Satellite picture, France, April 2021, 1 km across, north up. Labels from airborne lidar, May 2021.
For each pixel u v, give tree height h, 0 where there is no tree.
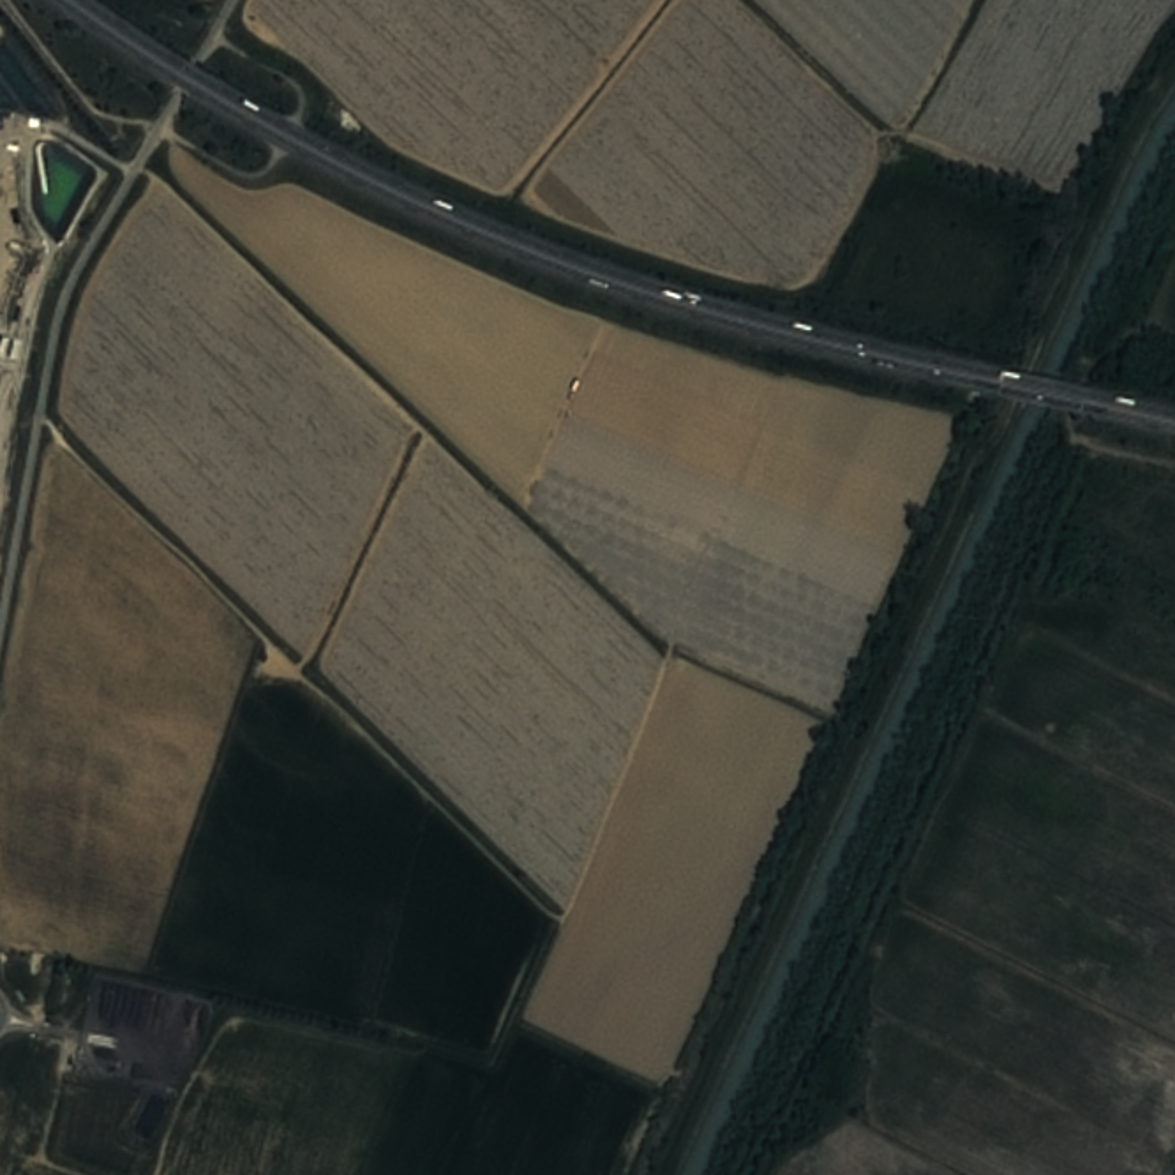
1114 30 0
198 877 0
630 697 0
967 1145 0
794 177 0
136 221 0
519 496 0
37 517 0
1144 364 14
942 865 0
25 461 0
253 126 0
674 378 0
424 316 0
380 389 0
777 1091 8
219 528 0
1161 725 0
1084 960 0
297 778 0
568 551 0
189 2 7
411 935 0
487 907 0
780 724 0
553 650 0
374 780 0
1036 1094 0
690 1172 0
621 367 0
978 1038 0
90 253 0
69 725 0
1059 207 13
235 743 0
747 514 0
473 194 0
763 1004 0
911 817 7
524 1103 0
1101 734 0
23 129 0
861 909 7
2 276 0
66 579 0
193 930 0
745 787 0
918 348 0
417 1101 0
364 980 0
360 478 0
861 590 0
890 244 0
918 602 0
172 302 0
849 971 6
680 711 0
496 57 0
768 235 0
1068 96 0
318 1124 0
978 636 10
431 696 0
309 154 0
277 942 0
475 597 0
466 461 0
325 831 0
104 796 0
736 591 0
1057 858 0
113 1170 0
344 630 0
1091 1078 0
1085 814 0
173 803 0
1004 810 0
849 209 0
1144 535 0
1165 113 0
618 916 0
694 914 0
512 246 0
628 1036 0
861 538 0
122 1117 0
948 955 0
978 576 7
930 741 10
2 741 0
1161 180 6
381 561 0
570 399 0
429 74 0
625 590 0
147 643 0
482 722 0
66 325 0
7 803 0
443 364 0
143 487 0
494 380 0
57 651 0
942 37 0
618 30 0
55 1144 0
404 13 0
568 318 0
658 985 0
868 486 0
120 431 0
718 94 0
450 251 0
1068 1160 0
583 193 0
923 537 11
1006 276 0
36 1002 0
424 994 0
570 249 0
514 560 0
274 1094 0
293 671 0
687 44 0
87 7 0
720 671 0
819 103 0
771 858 8
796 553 0
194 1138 0
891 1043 0
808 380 0
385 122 0
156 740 0
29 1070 0
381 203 0
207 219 0
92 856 0
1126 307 10
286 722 0
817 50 0
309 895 0
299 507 0
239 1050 0
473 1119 0
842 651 0
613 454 0
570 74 0
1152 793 0
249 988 0
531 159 0
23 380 0
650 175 0
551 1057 0
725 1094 0
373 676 0
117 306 0
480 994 0
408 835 0
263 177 0
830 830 0
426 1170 0
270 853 0
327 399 0
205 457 0
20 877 0
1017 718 0
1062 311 0
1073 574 7
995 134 0
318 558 0
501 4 0
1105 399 0
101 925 0
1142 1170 0
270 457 0
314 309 0
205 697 0
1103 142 12
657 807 0
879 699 0
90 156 0
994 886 0
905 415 0
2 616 0
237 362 0
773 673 0
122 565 0
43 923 0
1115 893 0
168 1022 0
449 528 0
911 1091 0
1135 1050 0
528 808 0
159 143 0
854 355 0
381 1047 6
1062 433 9
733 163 0
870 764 0
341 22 0
